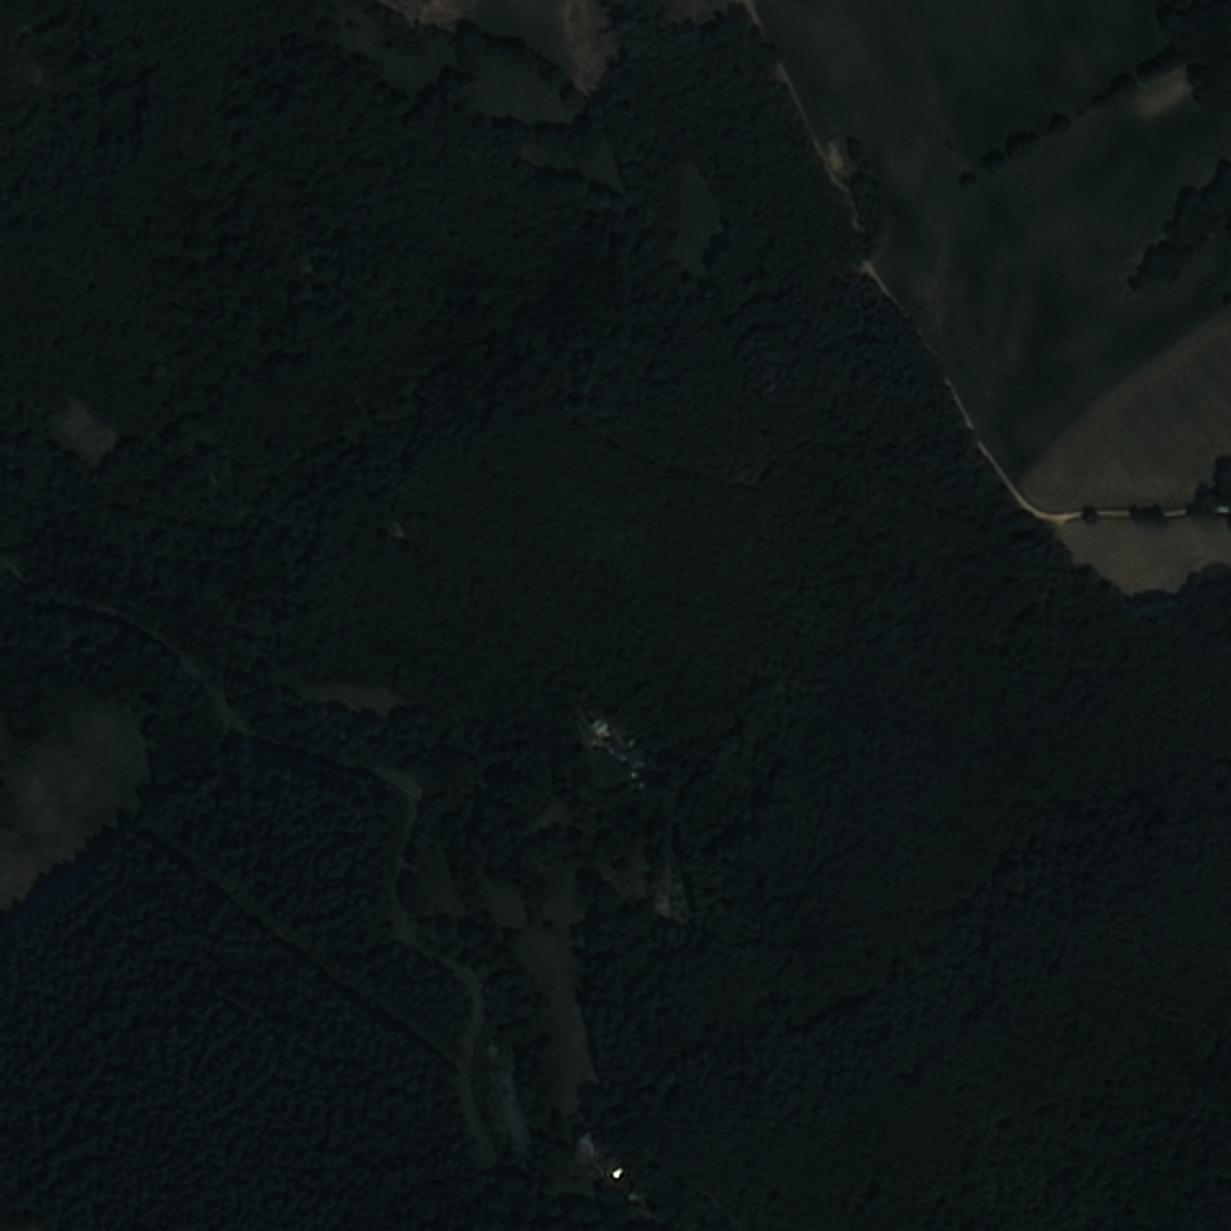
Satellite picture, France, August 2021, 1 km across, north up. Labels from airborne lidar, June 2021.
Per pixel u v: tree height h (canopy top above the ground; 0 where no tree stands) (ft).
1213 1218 95
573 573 57
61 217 62
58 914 132
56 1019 120
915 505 66
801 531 71
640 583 57
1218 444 0
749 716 87
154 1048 129
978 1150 70
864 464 58
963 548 59
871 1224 66
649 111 73
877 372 45
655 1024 66
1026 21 0
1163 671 70
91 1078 129
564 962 0
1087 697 62
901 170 0
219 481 53
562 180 64
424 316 77
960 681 63
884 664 48
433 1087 112
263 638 23
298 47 62
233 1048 113
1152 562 0
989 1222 82
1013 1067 83
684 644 54
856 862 54
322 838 113
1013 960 71
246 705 66
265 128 73
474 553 54
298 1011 89
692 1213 59
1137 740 77
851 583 71
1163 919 57
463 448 64
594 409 34
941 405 38
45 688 86
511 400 73
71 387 70
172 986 139
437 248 73
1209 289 0
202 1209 115
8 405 54
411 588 77
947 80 0
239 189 27
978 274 0
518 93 0
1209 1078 85
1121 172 0
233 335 78
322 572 82
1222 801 67
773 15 0
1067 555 46
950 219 0
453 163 56
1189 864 68
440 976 25
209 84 73
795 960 66
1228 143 0
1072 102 0
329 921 134
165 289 61
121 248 57
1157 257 58
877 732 58
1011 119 0
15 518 92
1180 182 0
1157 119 0
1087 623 59
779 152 58
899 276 0
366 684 59
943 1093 56
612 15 77
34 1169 119
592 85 72
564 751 47
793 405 56
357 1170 101
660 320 66
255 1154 120
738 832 28
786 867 76
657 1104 79
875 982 51
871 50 0
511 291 79
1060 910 71
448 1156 121
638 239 47
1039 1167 95
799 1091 76
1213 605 43
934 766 52
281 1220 127
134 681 67
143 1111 104
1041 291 0
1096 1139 93
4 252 70
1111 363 0
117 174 65
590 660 58
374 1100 118
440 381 105
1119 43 0
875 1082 65
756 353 43
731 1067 84
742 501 47
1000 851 59
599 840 25
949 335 0
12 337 85
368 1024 122
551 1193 75
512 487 51
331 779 58
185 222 60
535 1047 59
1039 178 0
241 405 74
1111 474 0
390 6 32
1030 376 0
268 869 115
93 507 95
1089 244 0
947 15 0
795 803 73
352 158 38
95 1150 109
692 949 60
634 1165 52
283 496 77
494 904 0
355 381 85
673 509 59
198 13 76
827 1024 72
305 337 65
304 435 67
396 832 47
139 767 0
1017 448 0
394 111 60
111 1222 101
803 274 56
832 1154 71
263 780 95
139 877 92
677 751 74
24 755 0
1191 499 0
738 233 63
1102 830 86
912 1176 73
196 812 101
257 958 63
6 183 88
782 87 38
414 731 88
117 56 63
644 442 47
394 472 61
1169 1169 96
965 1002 50
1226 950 54
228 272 84
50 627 101
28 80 31
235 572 58
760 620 67
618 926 86
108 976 95
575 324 91
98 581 83
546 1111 72
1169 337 0
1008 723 65
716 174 64
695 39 71
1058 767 77
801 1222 64
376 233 70
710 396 58
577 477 54
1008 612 47
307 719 104
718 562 52
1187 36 87
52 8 57
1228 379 0
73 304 62
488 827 77
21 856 0
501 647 68
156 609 81
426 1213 96
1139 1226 94
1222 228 37
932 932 72
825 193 57
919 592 72
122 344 72
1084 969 68
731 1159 58
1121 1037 82
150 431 72
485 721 89
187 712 68
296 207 31
